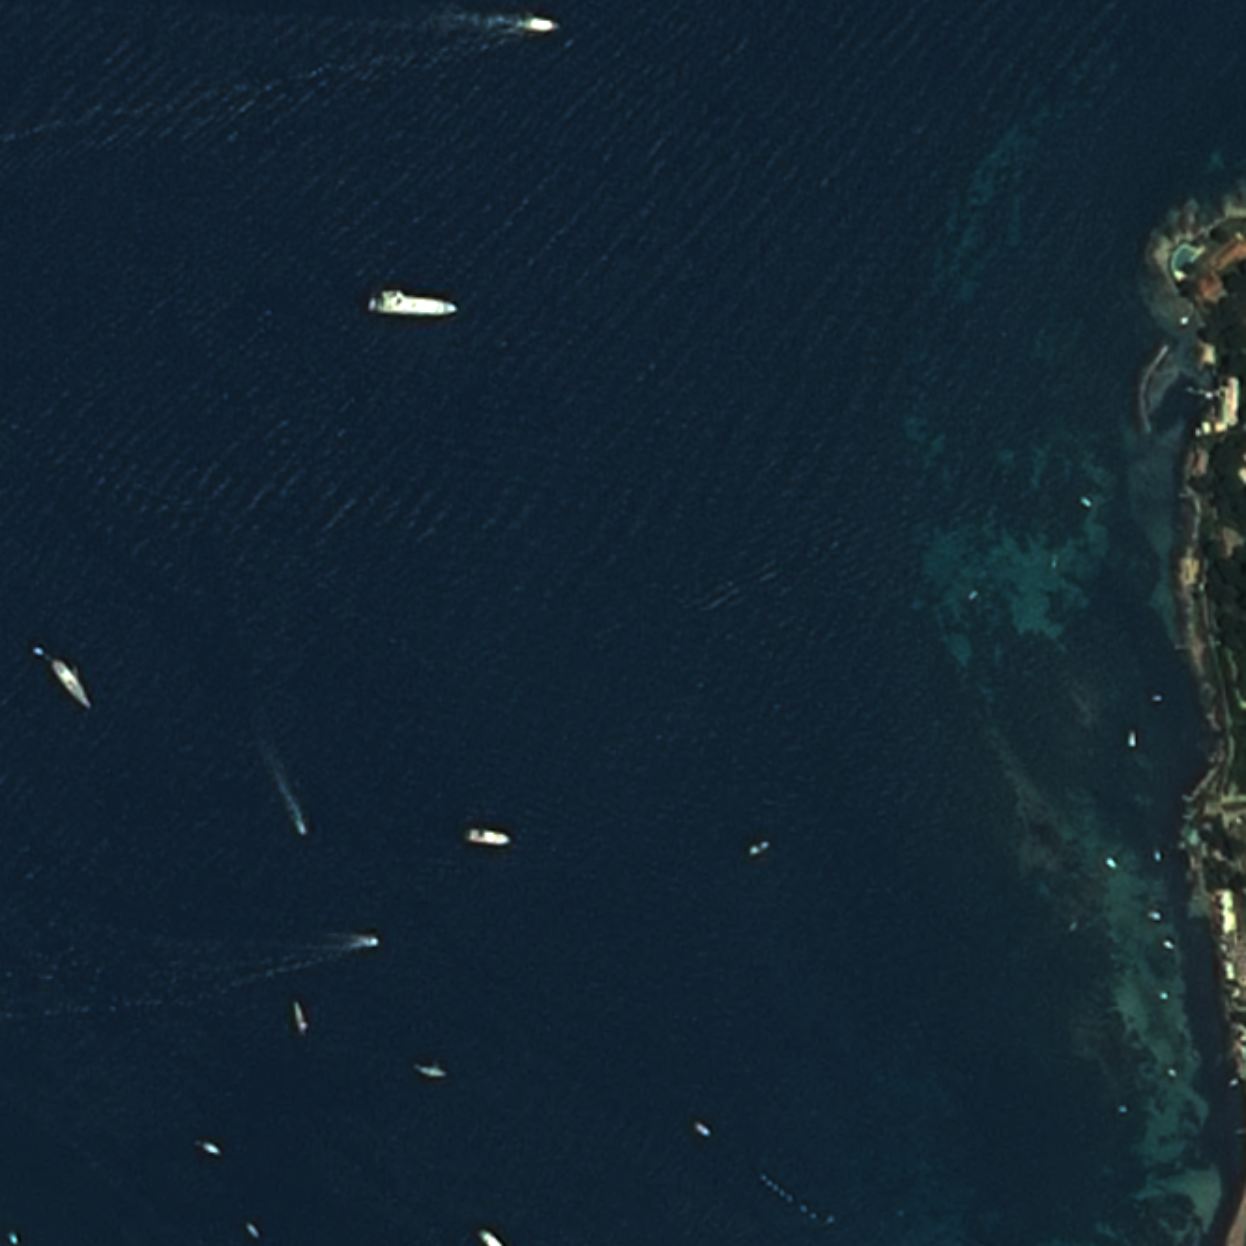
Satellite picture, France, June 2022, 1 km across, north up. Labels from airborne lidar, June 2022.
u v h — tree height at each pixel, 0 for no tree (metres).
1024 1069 0
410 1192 0
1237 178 0
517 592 0
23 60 0
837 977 0
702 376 0
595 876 0
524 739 0
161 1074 0
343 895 0
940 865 0
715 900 0
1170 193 0
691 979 0
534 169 0
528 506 0
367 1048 0
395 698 0
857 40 0
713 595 0
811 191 0
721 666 0
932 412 0
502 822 0
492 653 0
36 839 0
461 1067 0
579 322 0
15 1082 0
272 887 0
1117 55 0
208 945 0
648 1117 0
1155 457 0
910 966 0
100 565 0
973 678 0
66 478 0
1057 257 0
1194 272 7
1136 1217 0
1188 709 0
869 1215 0
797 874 0
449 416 0
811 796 0
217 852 0
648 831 0
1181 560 0
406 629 0
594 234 0
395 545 0
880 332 0
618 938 0
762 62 0
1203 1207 0
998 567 0
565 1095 0
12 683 0
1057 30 0
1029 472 0
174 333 0
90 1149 0
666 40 0
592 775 0
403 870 0
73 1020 0
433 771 0
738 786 0
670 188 0
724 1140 0
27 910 0
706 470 0
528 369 0
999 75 0
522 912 0
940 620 0
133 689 0
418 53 0
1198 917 0
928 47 0
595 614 0
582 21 0
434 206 0
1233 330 11
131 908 0
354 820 0
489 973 0
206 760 0
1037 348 0
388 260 0
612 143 0
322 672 0
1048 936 0
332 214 0
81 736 0
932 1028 0
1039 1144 0
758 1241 0
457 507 0
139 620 0
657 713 0
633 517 0
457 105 0
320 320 0
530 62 0
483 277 0
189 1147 0
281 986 0
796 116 0
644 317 0
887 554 0
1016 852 0
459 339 0
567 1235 0
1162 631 0
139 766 0
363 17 0
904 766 0
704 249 0
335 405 0
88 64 0
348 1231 0
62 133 0
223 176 0
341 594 0
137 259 0
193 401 0
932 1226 0
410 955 0
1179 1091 0
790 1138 0
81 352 0
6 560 0
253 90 0
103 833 0
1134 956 0
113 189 0
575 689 0
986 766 0
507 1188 0
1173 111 0
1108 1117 0
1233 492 12
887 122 0
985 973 0
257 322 0
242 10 0
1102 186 0
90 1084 0
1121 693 0
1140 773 0
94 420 0
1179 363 0
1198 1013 0
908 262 0
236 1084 0
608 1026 0
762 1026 0
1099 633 0
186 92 0
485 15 0
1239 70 0
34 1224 0
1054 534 0
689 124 0
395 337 0
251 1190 0
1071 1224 0
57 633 0
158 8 0
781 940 0
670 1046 0
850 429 0
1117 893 0
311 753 0
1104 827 0
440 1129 0
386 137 0
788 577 0
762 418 0
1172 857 0
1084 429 0
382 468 0
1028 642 0
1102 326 0
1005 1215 0
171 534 0
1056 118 0
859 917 0
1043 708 0
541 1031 0
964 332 0
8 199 0
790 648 0
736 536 0
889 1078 0
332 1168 0
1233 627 11
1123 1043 0
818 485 0
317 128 0
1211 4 0
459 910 0
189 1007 0
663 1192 0
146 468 0
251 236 0
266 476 0
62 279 0
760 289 0
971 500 0
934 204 0
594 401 0
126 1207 0
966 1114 0
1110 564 0
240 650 0
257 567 0
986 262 0
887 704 0
